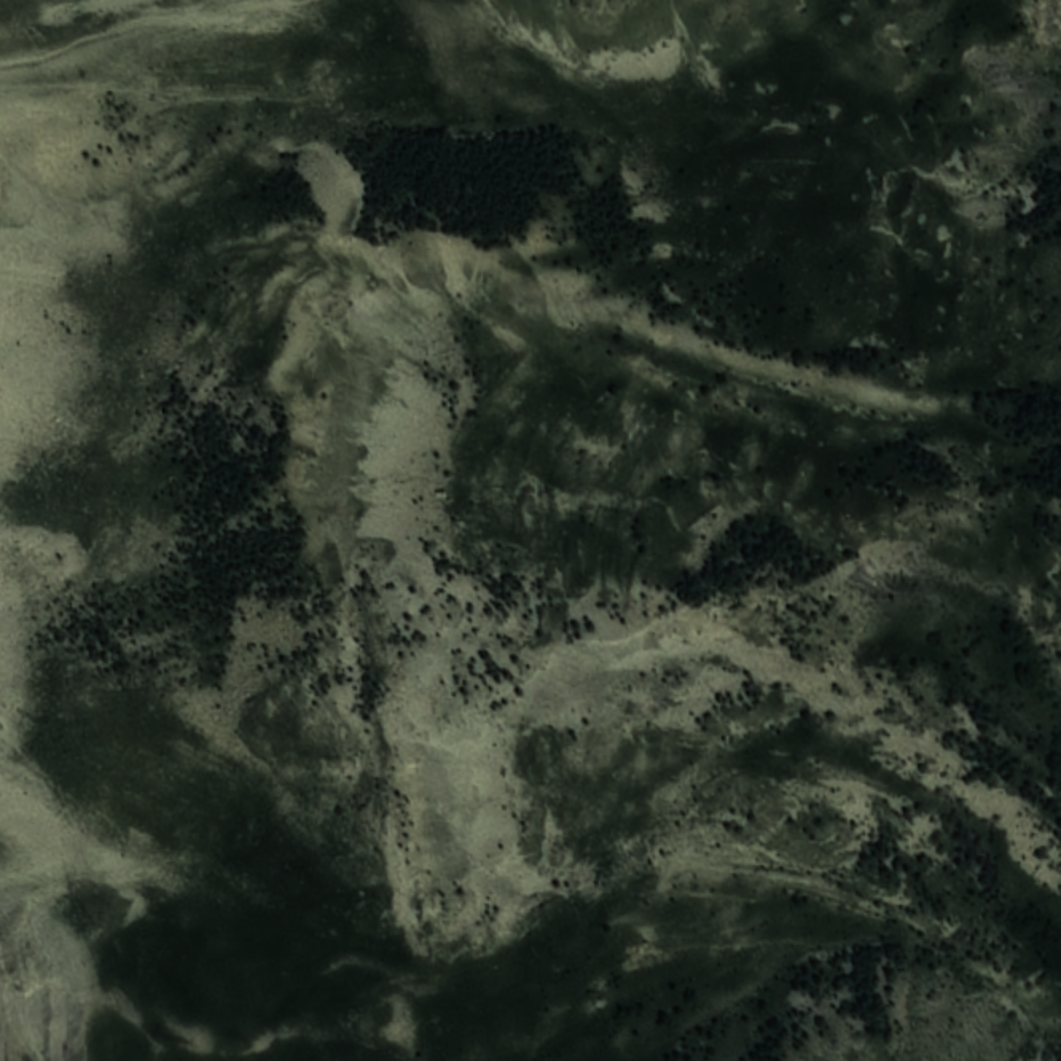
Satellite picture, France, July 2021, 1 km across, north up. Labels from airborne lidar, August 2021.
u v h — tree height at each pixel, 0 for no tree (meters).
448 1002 0
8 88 0
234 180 0
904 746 0
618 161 0
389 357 0
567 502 0
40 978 0
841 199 0
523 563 0
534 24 0
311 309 0
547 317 0
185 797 0
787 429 0
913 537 0
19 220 0
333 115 0
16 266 0
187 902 0
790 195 0
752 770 0
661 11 0
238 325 0
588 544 0
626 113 0
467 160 11
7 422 0
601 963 0
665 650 0
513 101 0
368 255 0
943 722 0
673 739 0
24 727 0
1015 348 0
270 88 0
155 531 0
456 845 0
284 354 0
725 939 0
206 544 7
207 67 0
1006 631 15
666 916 0
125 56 0
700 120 0
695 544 0
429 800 0
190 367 0
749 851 0
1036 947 8
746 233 0
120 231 0
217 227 0
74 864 0
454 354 0
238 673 0
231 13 0
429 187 10
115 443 0
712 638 0
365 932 0
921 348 0
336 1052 0
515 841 0
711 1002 0
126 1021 0
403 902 0
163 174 0
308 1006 0
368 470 0
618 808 0
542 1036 0
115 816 0
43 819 0
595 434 0
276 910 0
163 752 0
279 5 0
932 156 0
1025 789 9
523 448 0
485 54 0
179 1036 0
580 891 0
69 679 0
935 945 7
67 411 0
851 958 7
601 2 0
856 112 0
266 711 0
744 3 0
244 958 0
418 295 0
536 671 0
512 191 14
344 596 0
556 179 11
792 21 0
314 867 0
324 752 0
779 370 0
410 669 0
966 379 0
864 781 0
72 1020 0
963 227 0
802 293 0
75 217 0
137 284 0
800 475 0
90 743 0
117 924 0
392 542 0
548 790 0
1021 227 12
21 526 0
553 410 0
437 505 0
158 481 0
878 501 0
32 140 0
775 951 0
